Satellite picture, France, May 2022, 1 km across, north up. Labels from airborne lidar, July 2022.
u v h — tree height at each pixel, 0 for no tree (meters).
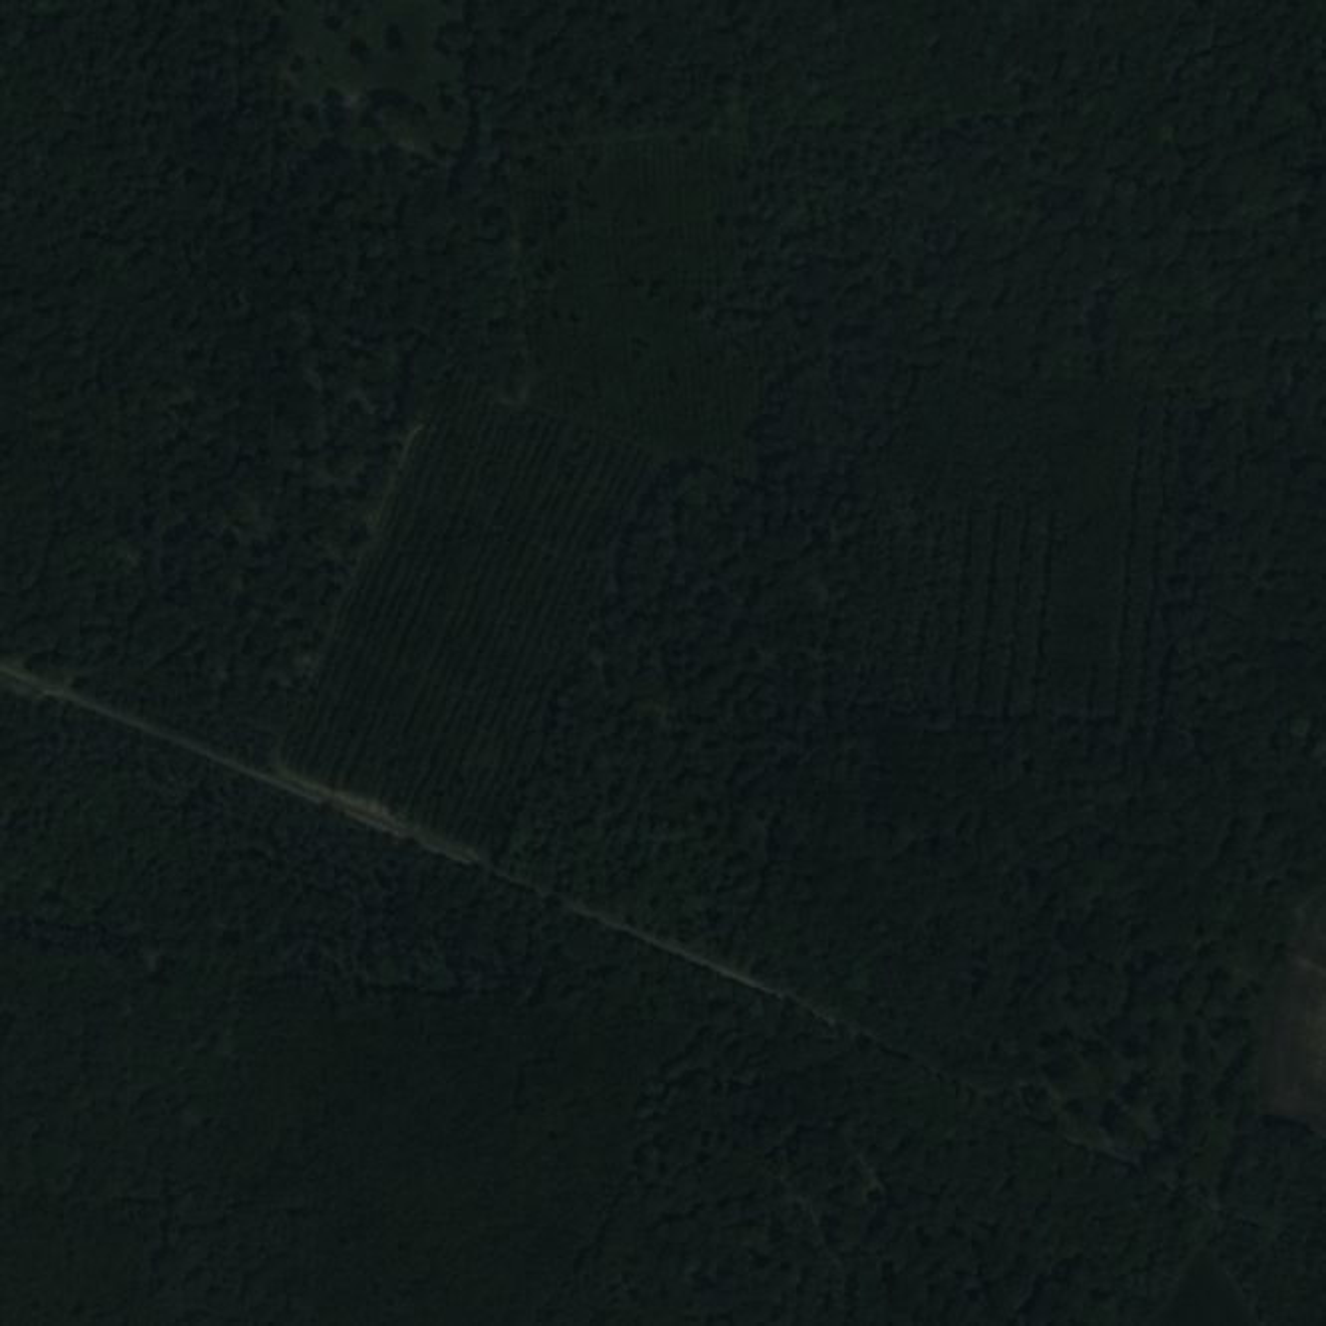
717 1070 22
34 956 26
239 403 17
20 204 21
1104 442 19
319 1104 18
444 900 18
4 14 20
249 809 17
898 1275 32
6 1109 23
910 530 17
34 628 21
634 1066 19
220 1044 25
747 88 21
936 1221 30
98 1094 23
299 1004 20
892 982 21
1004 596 17
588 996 24
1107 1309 19
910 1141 26
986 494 15
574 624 8
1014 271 30
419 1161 17
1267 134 25
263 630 18
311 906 24
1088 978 29
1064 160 22
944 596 16
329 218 20
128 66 16
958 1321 31
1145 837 28
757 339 8
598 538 7
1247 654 33
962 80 20
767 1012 23
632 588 24
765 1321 27
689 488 26
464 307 21
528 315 7
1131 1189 20
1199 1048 21
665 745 22
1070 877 32
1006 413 16
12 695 7
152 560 21
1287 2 25
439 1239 15
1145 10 20
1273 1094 0
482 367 21
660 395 5
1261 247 29
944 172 25
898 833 29
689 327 6
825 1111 29
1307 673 36
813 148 8
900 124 6
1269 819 24
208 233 18
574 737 24
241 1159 19
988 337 24
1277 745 30
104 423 22
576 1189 15
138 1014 17
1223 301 27
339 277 21
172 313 18
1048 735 23
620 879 14
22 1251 12
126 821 15
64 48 19
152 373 20
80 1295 9
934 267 25
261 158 18
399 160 24
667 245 7
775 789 19
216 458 19
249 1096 19
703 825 7
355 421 25
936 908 19
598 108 20
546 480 6
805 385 22
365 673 6
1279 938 10
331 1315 16
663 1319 28
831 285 22
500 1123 19
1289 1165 19
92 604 19
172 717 14
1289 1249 18
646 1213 22
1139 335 23
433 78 0
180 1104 24
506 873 11
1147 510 15
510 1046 18
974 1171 21
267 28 9
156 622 19
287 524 22
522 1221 14
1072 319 19
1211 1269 0
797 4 19
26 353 20
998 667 17
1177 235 27
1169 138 24
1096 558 15
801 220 8
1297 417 30
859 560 15
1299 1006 0
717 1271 20
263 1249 20
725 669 22
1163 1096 23
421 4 0
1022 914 23
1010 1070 20
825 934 20
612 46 17
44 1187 19
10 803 9
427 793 6
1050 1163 19
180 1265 21
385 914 14
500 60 20
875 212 22
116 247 23
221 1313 24
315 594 14
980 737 23
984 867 24
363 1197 15
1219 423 33
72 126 17
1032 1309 36
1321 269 21
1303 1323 16
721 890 16
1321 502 29
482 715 7
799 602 21
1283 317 25
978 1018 20
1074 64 28
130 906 19
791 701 19
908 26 21
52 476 19
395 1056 16
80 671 19
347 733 6
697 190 6
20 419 22
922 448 21
